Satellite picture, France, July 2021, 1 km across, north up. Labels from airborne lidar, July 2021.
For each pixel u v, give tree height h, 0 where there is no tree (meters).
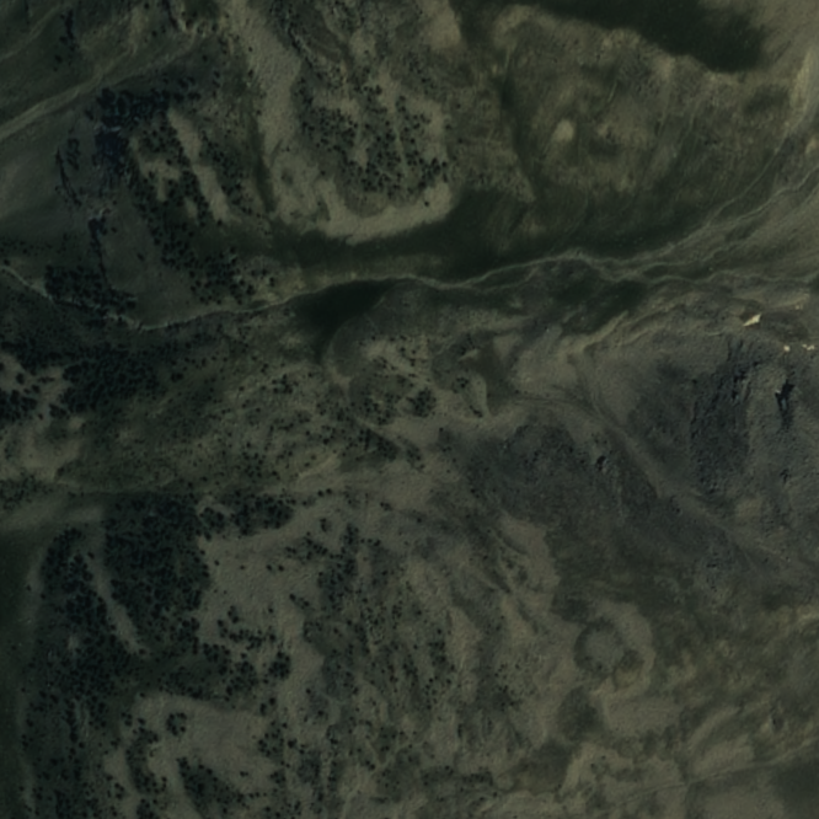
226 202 0
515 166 0
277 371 0
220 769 0
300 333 0
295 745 7
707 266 0
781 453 0
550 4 0
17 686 0
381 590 0
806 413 0
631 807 0
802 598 0
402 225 0
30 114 0
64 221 0
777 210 0
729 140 0
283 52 0
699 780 0
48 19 0
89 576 10
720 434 0
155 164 0
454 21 0
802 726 0
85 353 9
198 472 0
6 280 0
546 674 0
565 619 0
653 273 0
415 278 0
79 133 0
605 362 0
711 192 0
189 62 0
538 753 0
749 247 0
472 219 0
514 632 0
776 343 0
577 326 0
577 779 0
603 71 0
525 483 0
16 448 0
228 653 9
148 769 0
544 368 0
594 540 0
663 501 0
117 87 0
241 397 0
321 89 0
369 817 0
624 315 0
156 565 5
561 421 0
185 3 0
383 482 0
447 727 0
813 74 0
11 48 0
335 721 0
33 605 0
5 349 10
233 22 0
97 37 0
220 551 0
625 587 0
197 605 11
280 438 0
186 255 10
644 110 0
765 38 0
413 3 0
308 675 0
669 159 0
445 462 0
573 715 0
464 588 0
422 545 0
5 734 0
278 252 0
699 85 0
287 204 0
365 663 0
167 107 9
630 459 0
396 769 0
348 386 0
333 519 0
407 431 0
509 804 0
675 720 0
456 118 0
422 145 0
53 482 0
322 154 0
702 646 0
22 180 0
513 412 0
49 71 0
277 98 0
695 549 0
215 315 0
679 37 0
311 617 0
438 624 0
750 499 0
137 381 9
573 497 0
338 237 0
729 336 0
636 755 0
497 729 0
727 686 0
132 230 0
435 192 0
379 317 0
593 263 0
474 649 0
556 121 0
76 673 10
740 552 0
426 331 0
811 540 0
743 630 0
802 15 0
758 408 0
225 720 0
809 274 0
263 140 0
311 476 0
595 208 0
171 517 10
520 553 0
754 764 0
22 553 0
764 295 0
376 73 0
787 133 0
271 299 0
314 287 0
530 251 0
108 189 0
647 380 0
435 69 0
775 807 0
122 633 0
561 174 0
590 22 0
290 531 0
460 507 0
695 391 0
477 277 0
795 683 0
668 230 0
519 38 0
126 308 7
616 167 0
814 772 0
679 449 0
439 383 0
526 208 0
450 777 0
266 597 0
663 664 0
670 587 0
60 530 0
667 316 0
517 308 0
